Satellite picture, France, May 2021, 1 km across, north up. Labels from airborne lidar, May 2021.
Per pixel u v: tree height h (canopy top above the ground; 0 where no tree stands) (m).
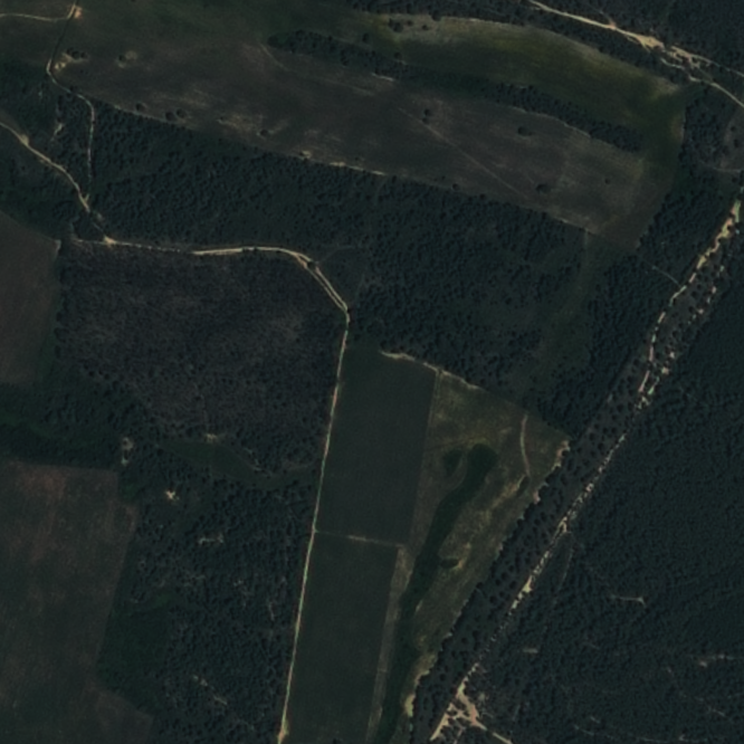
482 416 0
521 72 0
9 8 0
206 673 11
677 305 11
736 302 11
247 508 13
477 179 0
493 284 11
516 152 0
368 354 0
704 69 12
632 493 19
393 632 0
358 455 0
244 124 0
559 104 14
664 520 18
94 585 0
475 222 14
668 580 15
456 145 0
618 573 18
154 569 7
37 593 0
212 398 14
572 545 16
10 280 0
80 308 18
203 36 0
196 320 17
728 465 19
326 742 0
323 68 0
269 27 0
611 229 0
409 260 12
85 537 0
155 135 14
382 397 0
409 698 0
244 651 12
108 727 0
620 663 17
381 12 13
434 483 0
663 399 19
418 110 0
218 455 0
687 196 7
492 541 0
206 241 9
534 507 16
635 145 13
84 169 12
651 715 17
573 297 0
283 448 8
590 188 0
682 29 10
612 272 10
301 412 16
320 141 0
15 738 0
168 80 0
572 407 16
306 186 11
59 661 0
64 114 6
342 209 12
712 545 19
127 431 15
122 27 0
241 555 14
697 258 9
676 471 19
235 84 0
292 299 20
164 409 16
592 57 0
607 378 8
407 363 0
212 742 9
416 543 0
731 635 7
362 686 0
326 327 17
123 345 19
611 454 14
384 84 0
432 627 0
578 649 15
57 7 0
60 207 13
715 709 16
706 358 12
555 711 18
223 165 8
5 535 0
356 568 0
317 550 0
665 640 18
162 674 10
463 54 0
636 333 14
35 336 0
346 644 0
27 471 0
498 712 19
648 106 0
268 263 18
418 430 0
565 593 16
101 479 0
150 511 12
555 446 0
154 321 23
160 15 0
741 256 21
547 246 13
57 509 0
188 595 9
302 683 0
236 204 12
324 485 0
